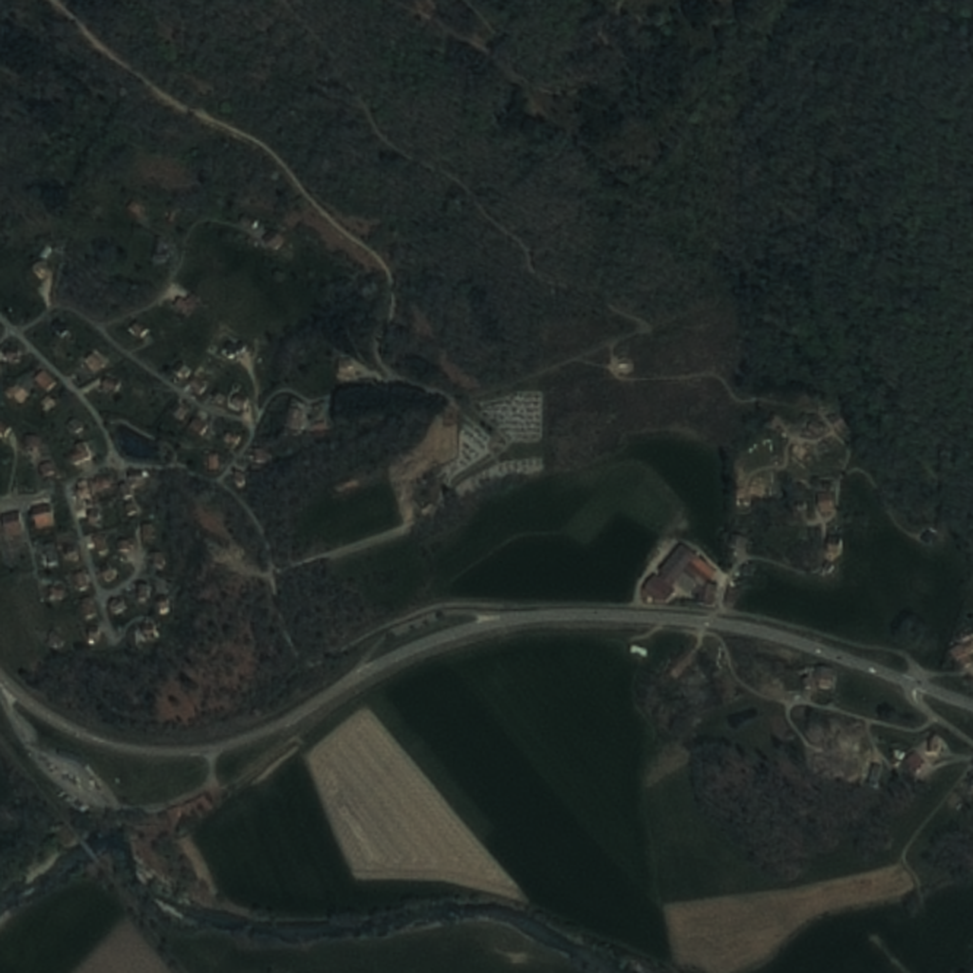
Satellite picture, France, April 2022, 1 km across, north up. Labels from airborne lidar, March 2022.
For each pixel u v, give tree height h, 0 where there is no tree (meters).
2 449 0
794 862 15
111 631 0
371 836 0
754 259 6
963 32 21
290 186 7
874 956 0
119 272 18
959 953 0
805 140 24
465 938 0
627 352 0
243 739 0
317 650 8
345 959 0
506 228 22
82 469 0
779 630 0
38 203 23
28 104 22
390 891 0
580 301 22
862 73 23
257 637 14
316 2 20
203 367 0
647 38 28
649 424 0
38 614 0
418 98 19
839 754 0
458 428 0
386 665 0
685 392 0
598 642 0
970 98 16
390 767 0
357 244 0
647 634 0
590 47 31
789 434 0
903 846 0
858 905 0
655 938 0
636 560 0
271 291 0
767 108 17
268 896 0
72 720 0
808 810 20
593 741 0
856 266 18
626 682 0
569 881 0
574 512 0
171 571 0
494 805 0
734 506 8
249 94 10
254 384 0
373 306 10
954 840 18
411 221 22
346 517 0
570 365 0
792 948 0
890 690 0
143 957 0
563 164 17
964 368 16
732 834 16
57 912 0
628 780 0
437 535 17
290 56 19
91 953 0
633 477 0
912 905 20
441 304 19
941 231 18
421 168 21
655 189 25
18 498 0
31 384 0
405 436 22
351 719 0
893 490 30
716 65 24
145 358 0
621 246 14
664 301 18
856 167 25
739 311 22
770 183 20
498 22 20
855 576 0
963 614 0
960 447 22
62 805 0
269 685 9
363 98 14
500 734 0
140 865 0
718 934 0
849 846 0
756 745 0
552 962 0
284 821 0
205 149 12
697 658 0
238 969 0
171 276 0
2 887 21
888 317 19
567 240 19
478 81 28
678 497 0
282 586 14
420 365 18
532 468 0
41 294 0
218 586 0
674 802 0
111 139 17
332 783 0
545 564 0
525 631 0
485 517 0
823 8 16
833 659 0
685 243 8
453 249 19
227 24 21
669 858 0
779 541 0
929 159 16
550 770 0
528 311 20
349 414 16
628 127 30
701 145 9
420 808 0
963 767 0
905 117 19
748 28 24
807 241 27
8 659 0
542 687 0
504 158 19
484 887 0
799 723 0
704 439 0
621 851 0
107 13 22
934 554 0
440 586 0
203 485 16
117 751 0
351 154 19
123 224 0
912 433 21
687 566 0
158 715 11
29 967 0
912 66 24
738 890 0
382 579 0
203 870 0
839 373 21
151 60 23
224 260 0
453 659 0
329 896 0
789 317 21
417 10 14
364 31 21
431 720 0
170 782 0
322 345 7
